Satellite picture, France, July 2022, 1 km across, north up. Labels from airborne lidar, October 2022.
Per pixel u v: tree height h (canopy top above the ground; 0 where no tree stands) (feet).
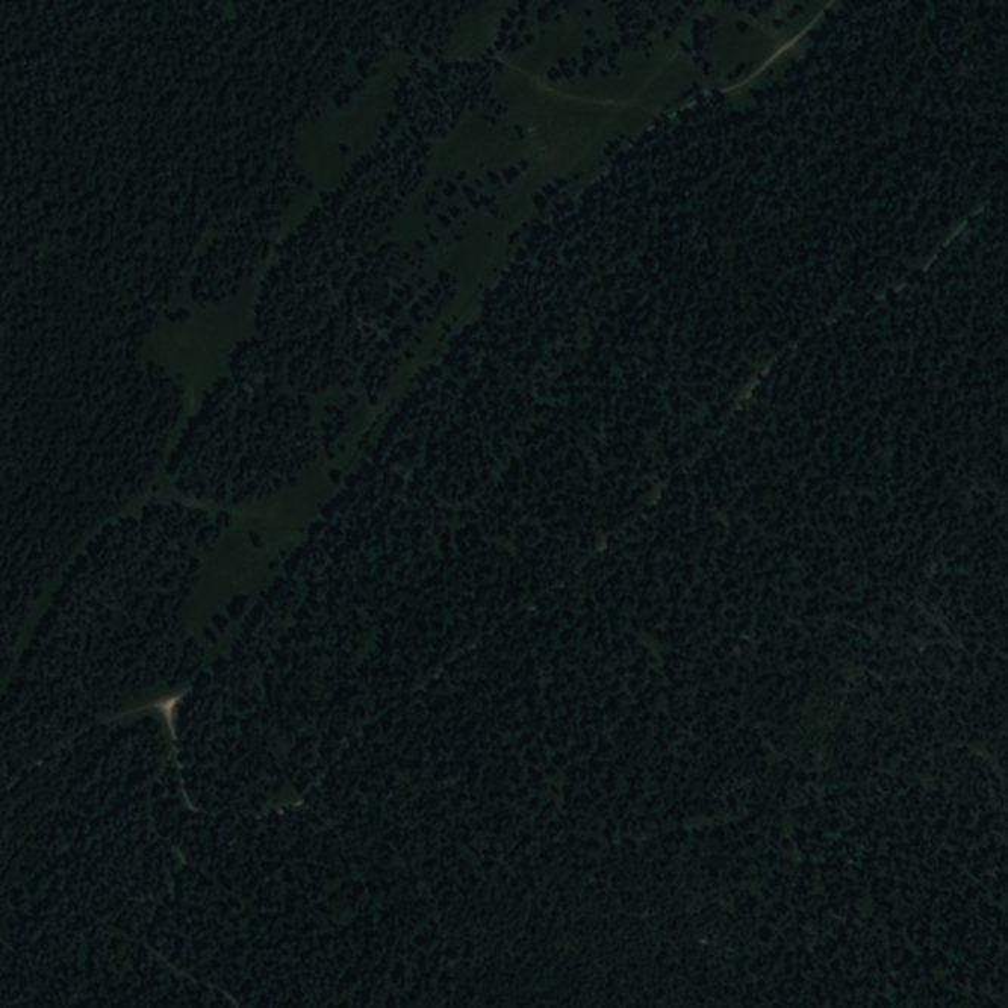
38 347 65
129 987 80
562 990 30
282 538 0
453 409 85
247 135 50
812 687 40
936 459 57
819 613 80
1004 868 99
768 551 22
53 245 62
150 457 77
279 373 62
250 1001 110
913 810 70
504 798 56
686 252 63
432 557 38
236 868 53
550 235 97
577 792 28
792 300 39
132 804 93
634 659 52
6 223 62
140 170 28
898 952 50
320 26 60
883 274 52
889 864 86
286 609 95
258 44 59
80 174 49
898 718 27
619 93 0
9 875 41
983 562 33
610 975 24
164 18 67
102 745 29
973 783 23
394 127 52
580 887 26
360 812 37
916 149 39
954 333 56
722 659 86
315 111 30
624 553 68
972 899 59
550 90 0
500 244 0
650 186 76
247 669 56
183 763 56
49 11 36
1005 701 33
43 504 67
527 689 30
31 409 29
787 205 60
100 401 83
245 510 0
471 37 0
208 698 87
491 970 36
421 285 30
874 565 58
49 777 37
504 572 20
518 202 0
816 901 97
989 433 20
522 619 75
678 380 79
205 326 0
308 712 86
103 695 67
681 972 38
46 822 39
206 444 74
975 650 93
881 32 93
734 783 69
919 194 90
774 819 29
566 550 81
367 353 52
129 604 22
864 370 36
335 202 31
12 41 73
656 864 20
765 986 61
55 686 62
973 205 19
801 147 60
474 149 0
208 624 0
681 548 76
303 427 58
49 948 74
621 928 31
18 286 29
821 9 0
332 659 94
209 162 34
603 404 58
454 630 47
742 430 45
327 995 56
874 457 80
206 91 23
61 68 27
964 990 68
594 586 25
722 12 0
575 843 74
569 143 0
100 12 50
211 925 81
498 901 23
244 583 0
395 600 74
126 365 24
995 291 42
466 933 31
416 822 28
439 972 54
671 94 0
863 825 53
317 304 62
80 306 48
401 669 26
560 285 68
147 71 42
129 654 59
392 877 46
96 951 52
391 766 55
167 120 36
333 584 29
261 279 0
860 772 27
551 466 45
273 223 54
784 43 0
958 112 75
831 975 103
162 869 95
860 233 81
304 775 52
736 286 35
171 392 46
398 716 46
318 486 0
